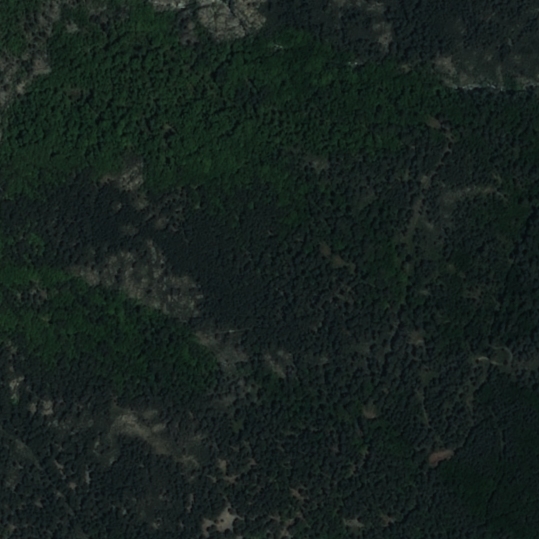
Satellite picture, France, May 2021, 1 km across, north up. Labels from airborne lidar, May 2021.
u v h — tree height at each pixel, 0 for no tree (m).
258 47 19
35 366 24
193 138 31
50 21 13
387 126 25
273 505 27
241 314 23
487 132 36
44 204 25
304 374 32
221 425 25
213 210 15
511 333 19
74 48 27
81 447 23
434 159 19
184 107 26
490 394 22
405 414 11
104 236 15
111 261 0
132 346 24
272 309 21
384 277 35
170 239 17
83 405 7
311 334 16
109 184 12
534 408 16
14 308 28
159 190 15
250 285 20
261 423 20
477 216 11
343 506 12
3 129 11
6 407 31
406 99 30
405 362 20
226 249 23
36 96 27
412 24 28
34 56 13
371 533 23
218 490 22
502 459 21
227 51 31
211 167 26
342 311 30
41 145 29
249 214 29
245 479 24
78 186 24
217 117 31
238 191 29
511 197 7
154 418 0
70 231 21
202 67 31
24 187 21
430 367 30
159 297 0
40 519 25
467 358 10
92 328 28
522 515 16
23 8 7
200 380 17
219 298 23
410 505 26
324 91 26
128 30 24
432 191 17
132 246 15
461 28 0
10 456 9
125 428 0
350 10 12
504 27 13
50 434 25
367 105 25
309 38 20
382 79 26
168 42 21
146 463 15
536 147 16
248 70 30
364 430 29
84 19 10
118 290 12
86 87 23
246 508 19
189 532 18
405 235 22
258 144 23
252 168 19
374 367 28
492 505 21
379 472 21
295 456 31
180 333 19
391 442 25
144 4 8
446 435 16
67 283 26
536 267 40
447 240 16
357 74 22
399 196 24
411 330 24
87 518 22
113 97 20
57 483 19
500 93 7
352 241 34
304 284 30
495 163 34
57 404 22
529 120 21
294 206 22
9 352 14
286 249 14
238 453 24
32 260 30
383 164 32
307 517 23
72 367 27
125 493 23
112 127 19
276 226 29
